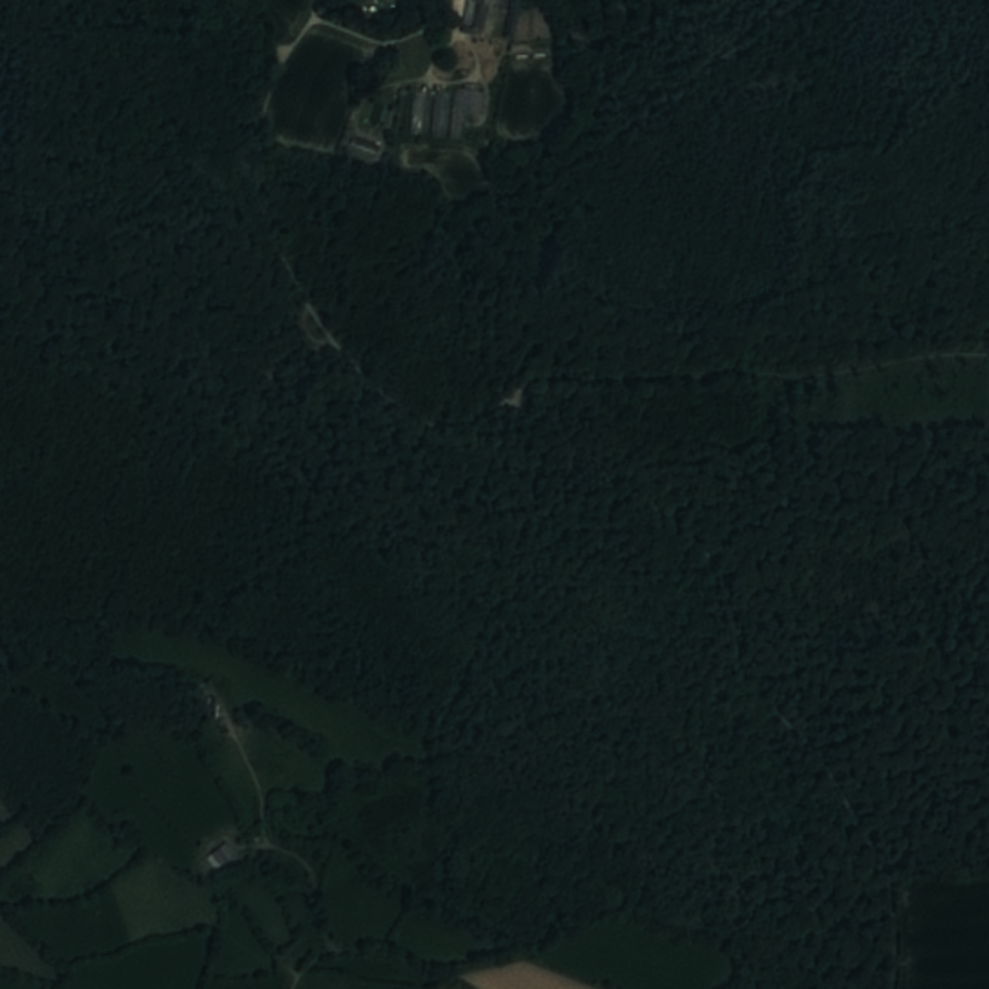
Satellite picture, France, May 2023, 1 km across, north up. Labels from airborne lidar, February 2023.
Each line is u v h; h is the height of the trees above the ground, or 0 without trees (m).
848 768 20
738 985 17
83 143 17
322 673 17
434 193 15
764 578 22
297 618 15
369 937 0
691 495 23
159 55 23
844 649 6
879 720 18
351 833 0
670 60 27
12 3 24
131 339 26
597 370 23
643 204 14
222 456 23
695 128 19
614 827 23
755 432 14
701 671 20
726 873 23
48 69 21
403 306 15
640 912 17
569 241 18
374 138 0
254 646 19
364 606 15
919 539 24
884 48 13
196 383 25
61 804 9
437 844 0
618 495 19
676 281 13
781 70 16
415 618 12
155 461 20
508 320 24
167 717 20
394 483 25
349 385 22
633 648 20
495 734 22
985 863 9
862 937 23
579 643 14
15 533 17
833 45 22
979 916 0
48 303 23
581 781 19
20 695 13
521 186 22
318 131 0
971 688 14
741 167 13
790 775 18
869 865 19
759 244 14
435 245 23
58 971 13
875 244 25
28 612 18
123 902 0
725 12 16
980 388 0
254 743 0
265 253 26
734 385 22
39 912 9
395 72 20
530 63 0
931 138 18
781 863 21
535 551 14
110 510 18
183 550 19
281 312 25
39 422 18
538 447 23
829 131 13
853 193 24
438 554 17
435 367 13
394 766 17
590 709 13
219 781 10
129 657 0
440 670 16
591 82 33
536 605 20
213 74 22
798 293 24
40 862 0
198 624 13
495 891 7
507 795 17
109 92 20
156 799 0
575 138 20
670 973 0
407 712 17
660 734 20
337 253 14
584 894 20
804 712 22
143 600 19
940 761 22
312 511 21
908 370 0
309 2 0
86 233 21
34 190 19
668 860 20
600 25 24
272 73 23
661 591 17
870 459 24
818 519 21
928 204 16
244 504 9
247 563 9
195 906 0
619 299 16
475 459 21
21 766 8
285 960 7
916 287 23
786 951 20
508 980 0
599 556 20
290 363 18
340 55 0
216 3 21
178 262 26
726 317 22
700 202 13
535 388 22
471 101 0
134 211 19
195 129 20
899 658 22
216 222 25
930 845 21
